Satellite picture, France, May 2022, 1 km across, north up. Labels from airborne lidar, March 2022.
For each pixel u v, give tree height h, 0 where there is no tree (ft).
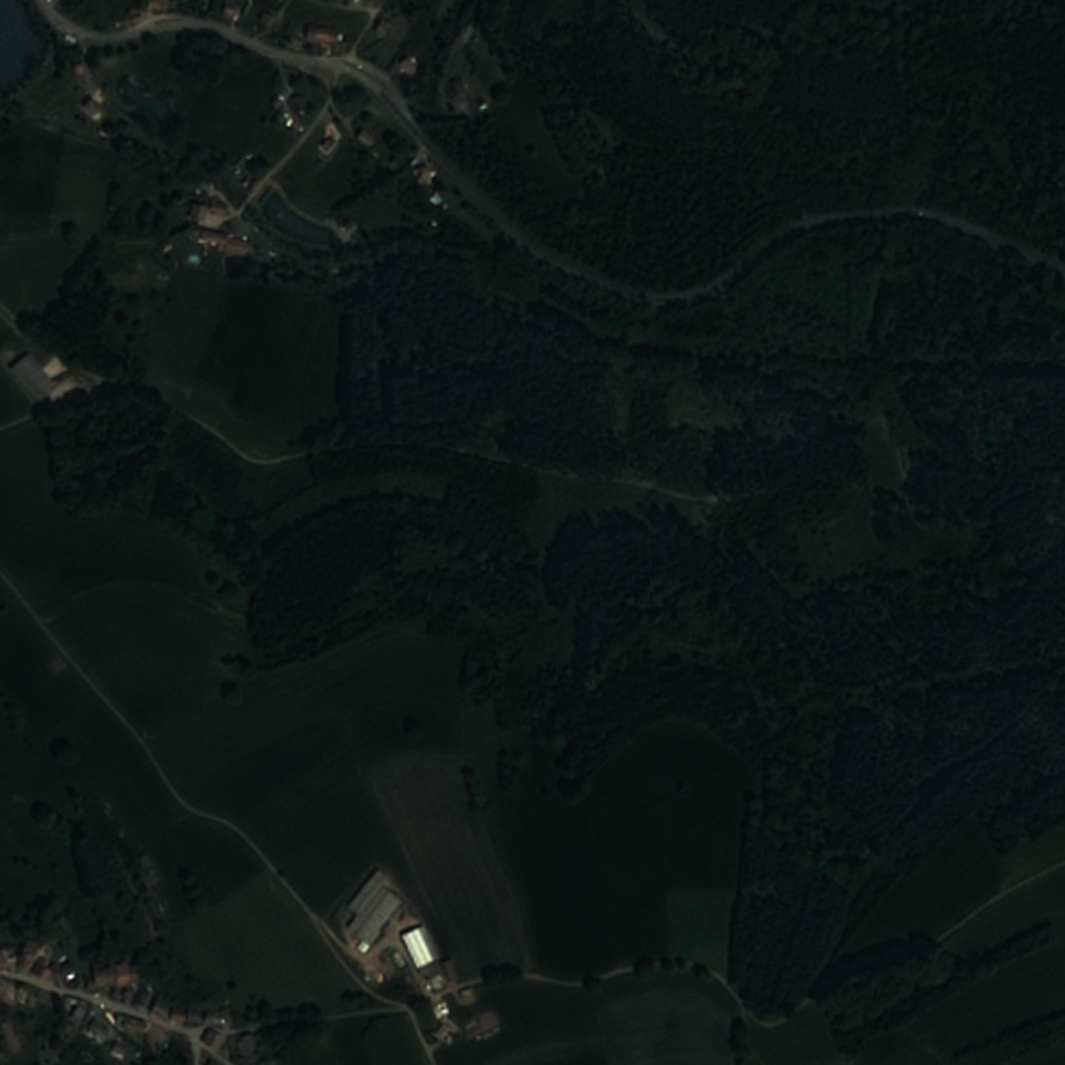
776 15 65
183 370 0
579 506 0
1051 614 108
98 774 0
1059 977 0
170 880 0
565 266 0
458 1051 0
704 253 34
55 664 0
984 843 0
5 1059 0
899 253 63
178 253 0
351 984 0
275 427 0
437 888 0
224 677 0
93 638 0
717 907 0
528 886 0
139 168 28
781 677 51
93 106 0
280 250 0
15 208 0
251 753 0
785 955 98
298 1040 61
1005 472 102
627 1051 0
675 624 79
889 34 80
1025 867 0
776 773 75
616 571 87
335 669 0
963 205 49
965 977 78
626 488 0
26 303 0
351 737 0
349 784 0
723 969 0
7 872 0
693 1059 0
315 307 0
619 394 0
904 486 0
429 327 102
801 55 71
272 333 0
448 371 99
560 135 53
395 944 0
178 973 0
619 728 37
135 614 0
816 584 0
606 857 0
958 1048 0
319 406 0
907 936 0
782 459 108
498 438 0
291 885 0
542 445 101
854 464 109
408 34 0
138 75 0
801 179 36
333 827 0
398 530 89
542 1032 0
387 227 0
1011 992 0
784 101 66
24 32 0
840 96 76
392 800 0
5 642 0
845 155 48
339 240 0
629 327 86
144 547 0
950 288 72
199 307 0
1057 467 115
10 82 0
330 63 0
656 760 0
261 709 0
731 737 33
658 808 0
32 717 0
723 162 32
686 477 18
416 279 93
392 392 98
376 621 29
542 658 0
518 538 43
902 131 68
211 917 0
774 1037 0
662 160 37
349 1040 0
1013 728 100
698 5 73
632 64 78
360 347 84
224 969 0
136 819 0
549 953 0
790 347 50
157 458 70
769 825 90
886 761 101
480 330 100
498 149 30
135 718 0
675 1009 0
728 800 0
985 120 45
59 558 0
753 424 110
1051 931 25
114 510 35
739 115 40
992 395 86
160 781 0
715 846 0
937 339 79
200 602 0
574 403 103
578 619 0
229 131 0
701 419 0
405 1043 0
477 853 0
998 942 0
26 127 0
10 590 0
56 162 0
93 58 44
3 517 0
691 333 80
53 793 0
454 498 39
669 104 52
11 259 0
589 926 0
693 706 33
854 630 105
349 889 0
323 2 0
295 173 0
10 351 0
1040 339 111
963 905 0
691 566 97
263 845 0
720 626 106
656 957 0
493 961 0
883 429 0
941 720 103
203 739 0
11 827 0
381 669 0
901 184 62
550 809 0
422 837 0
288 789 0
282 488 0
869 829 103
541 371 99
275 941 0
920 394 97
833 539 0
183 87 0
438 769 0
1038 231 30
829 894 99
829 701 40
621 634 89
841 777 102
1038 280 104
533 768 0
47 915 66
